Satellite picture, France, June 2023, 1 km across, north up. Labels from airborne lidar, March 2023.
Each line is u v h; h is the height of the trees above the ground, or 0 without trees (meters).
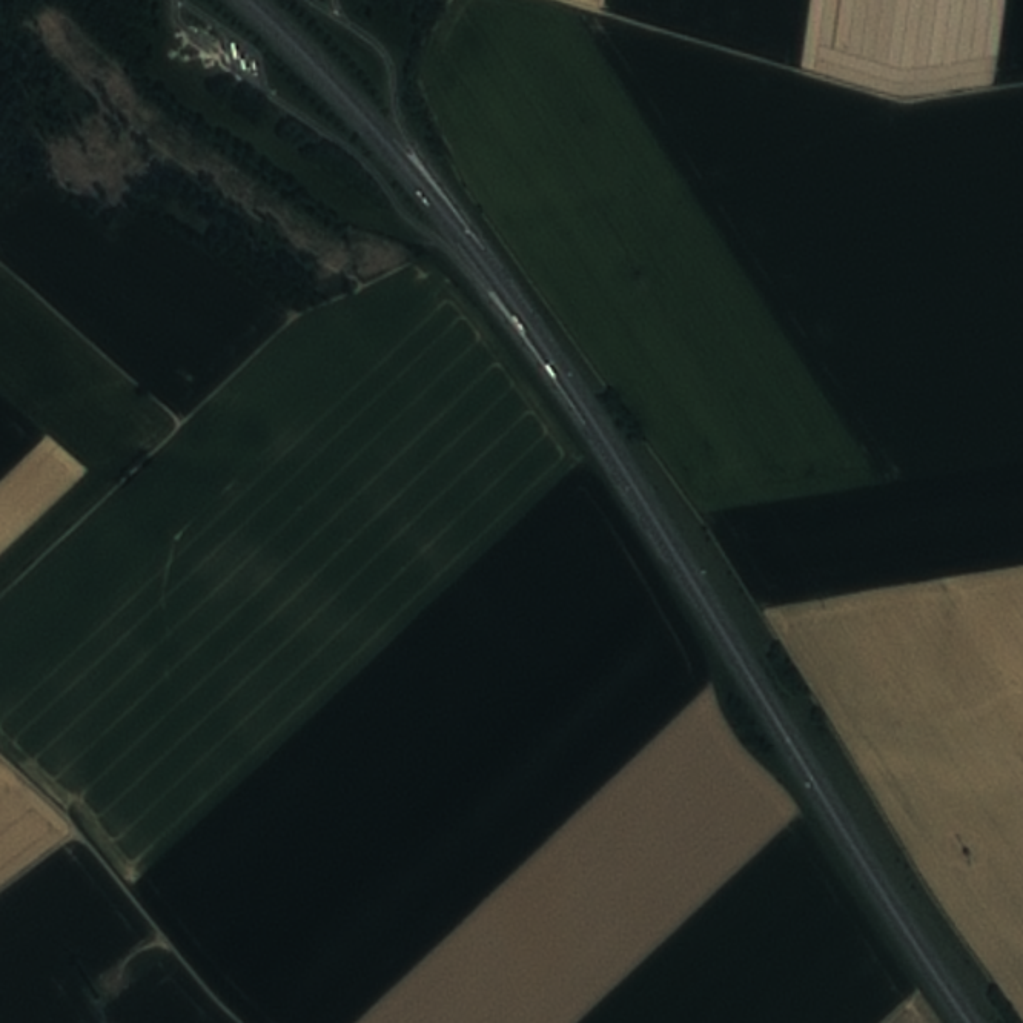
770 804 0
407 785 0
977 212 0
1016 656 0
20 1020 0
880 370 0
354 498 0
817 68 0
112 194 0
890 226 0
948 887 0
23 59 25
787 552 0
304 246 0
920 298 0
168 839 0
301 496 0
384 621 0
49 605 0
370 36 0
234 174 0
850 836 0
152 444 0
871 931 0
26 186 0
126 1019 0
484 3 0
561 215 0
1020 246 0
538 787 0
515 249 0
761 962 0
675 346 0
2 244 0
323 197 0
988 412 0
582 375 0
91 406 0
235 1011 0
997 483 0
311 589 0
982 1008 0
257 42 6
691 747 0
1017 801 0
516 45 0
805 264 0
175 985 0
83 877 0
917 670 0
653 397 0
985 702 0
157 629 0
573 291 0
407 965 0
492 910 0
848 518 0
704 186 0
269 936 0
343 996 0
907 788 0
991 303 0
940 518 0
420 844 0
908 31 0
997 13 0
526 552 0
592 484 0
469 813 0
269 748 0
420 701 0
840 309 0
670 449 0
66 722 0
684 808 0
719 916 0
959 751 0
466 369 0
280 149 0
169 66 0
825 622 0
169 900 0
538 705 0
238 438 0
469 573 0
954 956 0
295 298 13
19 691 0
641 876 0
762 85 0
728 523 0
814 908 0
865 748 0
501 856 0
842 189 0
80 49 0
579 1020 0
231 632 0
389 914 0
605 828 0
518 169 0
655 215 0
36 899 0
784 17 0
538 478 0
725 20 0
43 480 0
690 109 0
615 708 0
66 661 0
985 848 0
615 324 0
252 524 0
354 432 0
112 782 0
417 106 8
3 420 0
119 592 0
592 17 0
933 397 0
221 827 0
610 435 0
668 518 0
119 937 0
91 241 0
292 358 0
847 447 0
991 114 0
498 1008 0
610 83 0
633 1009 0
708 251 0
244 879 0
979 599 0
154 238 0
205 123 6
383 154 0
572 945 0
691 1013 0
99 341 0
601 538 0
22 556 0
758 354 0
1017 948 0
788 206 0
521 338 0
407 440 0
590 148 0
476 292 0
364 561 0
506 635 0
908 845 0
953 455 0
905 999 0
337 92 0
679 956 0
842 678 0
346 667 0
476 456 0
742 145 0
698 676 0
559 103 0
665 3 0
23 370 0
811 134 0
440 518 0
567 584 0
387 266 0
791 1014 0
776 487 0
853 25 0
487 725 0
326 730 0
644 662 0
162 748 0
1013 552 0
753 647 0
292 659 0
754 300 0
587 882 0
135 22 13
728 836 0
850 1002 0
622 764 0
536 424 0
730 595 0
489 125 0
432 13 11
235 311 0
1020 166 0
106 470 0
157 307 0
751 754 0
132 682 0
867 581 0
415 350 0
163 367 0
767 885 0
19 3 17
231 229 16
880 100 0
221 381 0
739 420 0
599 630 0
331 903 0
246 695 0
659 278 0
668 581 0
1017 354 0
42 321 0
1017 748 0
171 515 0
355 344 0
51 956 0
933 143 0
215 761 0
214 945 0
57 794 0
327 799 0
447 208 0
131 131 0
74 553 0
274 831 0
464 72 0
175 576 0
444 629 0
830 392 0
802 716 0
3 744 0
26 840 0
